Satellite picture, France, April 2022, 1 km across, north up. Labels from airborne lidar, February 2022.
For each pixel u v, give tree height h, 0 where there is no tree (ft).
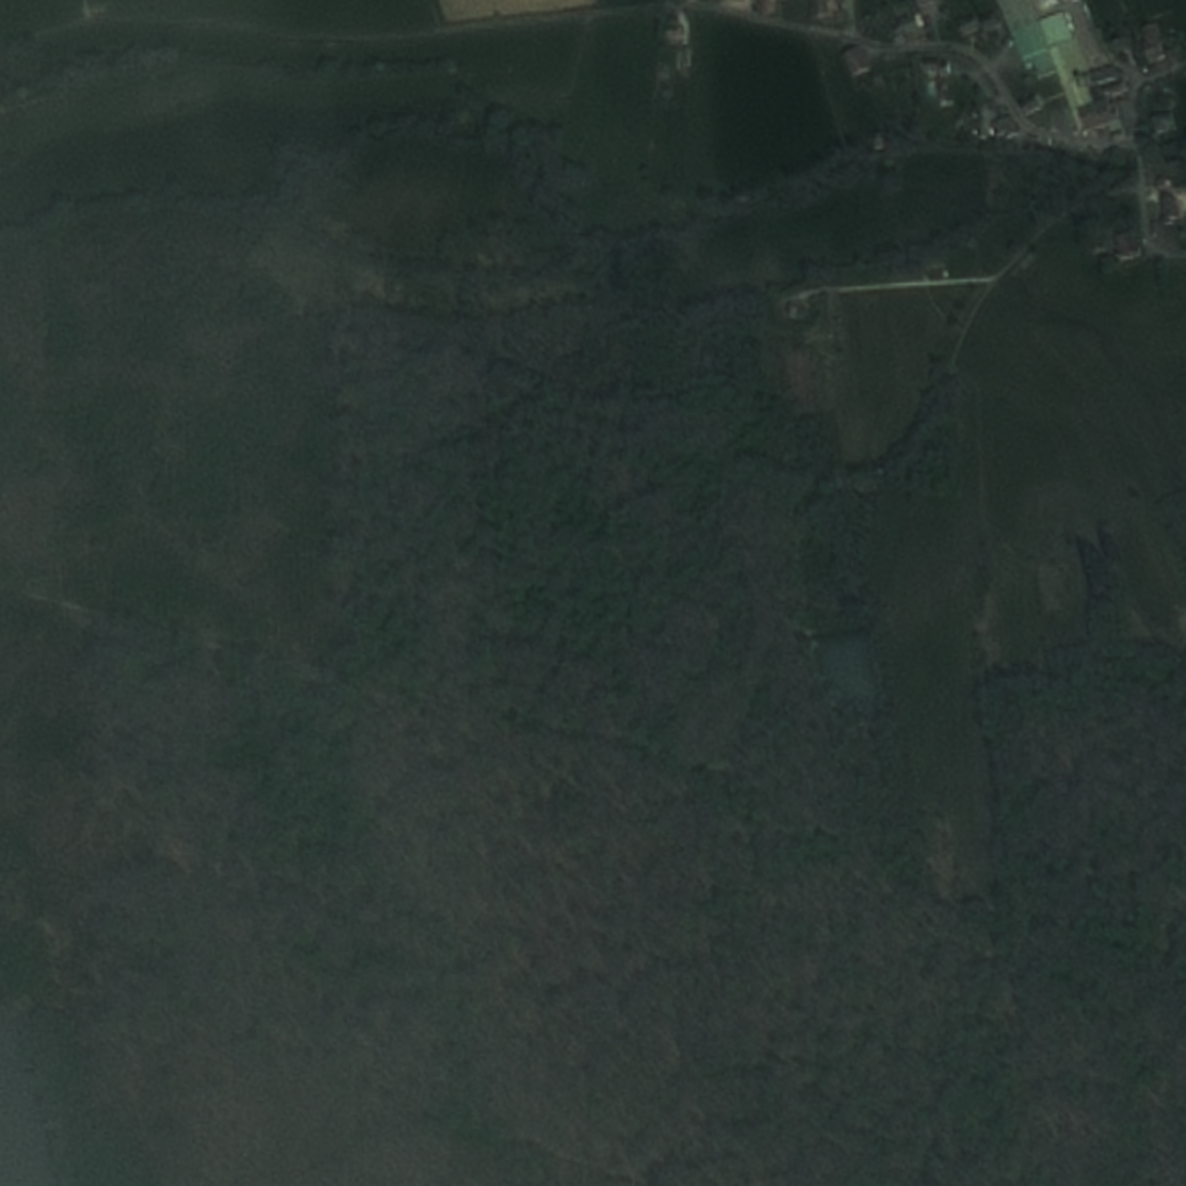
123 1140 42
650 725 80
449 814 90
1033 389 0
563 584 88
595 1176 41
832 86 0
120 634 94
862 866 88
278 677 96
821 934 89
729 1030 96
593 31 0
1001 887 33
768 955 94
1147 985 100
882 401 0
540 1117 97
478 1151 47
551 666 84
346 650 30
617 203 0
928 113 0
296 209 28
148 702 95
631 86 0
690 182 0
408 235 0
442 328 51
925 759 0
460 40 0
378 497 88
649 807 88
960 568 0
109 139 0
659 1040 96
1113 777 101
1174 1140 77
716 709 82
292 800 83
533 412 85
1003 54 0
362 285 0
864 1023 81
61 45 0
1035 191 46
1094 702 72
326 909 74
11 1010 63
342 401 38
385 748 93
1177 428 0
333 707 88
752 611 85
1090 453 0
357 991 96
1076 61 0
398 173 0
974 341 0
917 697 0
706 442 89
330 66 39
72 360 36
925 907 90
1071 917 94
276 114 0
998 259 0
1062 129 0
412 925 84
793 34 0
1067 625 0
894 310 0
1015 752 81
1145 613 0
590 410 62
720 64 0
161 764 90
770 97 0
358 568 86
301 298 0
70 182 0
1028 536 0
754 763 94
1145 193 0
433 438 89
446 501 84
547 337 53
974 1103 85
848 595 50
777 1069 85
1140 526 0
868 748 67
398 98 0
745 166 0
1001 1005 83
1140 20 0
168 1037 80
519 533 86
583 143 0
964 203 0
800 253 0
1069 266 0
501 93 0
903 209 0
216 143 0
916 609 0
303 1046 82
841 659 0
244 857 94
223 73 0
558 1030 90
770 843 77
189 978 103
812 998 82
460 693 83
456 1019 68
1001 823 61
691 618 95
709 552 82
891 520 0
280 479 29
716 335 61
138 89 0
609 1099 90
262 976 91
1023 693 78
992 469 0
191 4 0
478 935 67
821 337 0
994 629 0
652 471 89
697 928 87
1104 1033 94
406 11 0
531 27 0
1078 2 0
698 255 0
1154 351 0
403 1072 90
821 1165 80
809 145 0
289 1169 50
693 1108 98
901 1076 76
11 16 0
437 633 81
